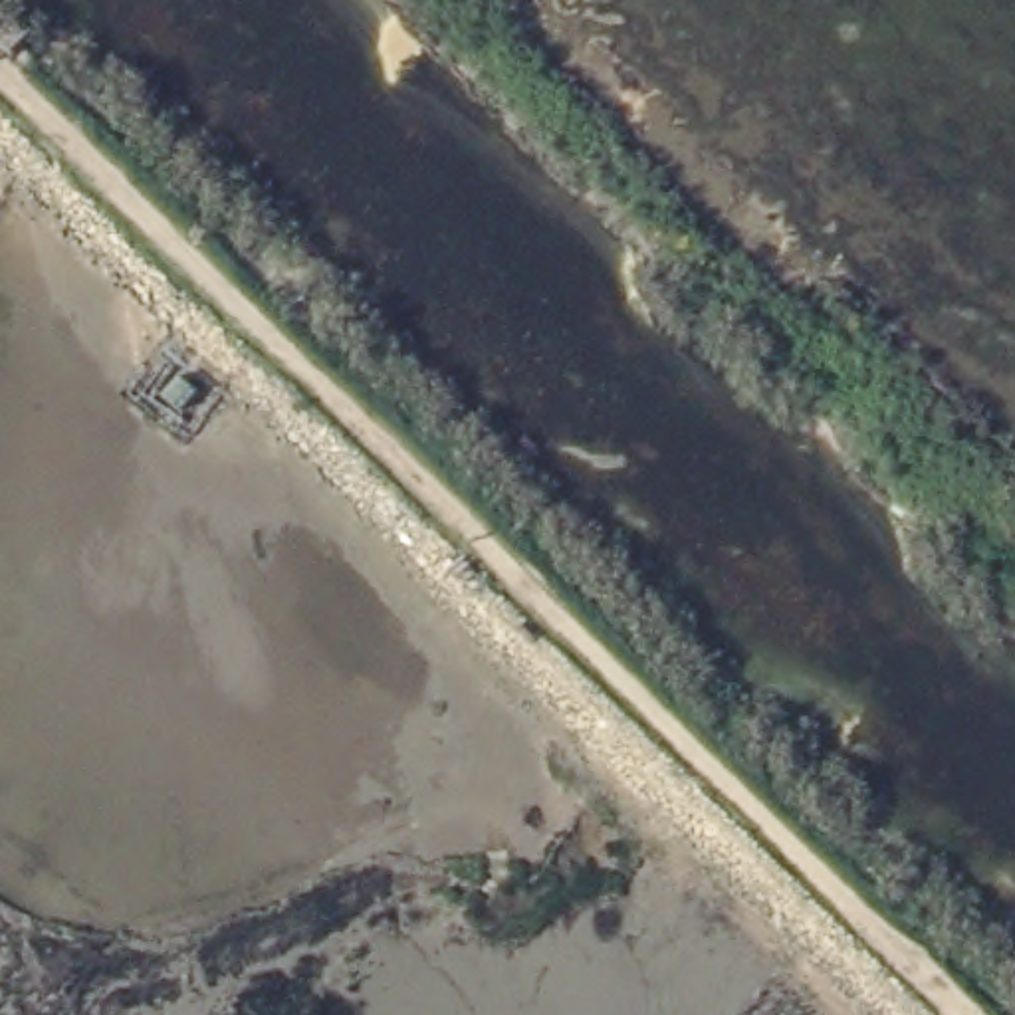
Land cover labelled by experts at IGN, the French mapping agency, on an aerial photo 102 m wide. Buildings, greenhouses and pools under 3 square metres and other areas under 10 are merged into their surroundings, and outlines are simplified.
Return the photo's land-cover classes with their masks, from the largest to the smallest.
<instances>
[{"label":"water","instance_id":"1","mask_svg":"<svg viewBox=\"0 0 1015 1015\"><path fill-rule=\"evenodd\" d=\"M44 12V36L52 44H59L63 36H79L87 40V63L131 67L143 83V115H163L174 139L194 143V159L202 167H238L250 182V206H270L305 258L329 266L333 282H353L357 301L381 313V325L400 341V353L412 357L424 377L444 385L448 400L432 416L436 428H456L464 420L488 428L508 464L515 468V484L539 492L547 508H567L579 519H587L595 527L591 551H622L638 587H650L662 599L678 634H690L702 658L745 702L757 698L769 710H781L785 698H797L817 730V745L864 785V829H892L908 845L932 852L944 864V876L959 888H971L979 896V912L1015 940V634L983 642L975 630L952 626L944 607L928 599L908 575L896 523L888 519L876 496L852 484L841 456L817 432L773 428L761 412L745 408L733 396L726 377L694 345L674 341L650 317L634 313L619 274L622 238L587 206L583 194H571L555 174H547L535 163V155L500 123V115L488 103L472 99L468 83L452 63L416 56L404 59L393 83L381 75L377 40L385 20L381 0H24L20 28ZM543 32L567 48V59L575 67H583L615 103L626 107L638 135L662 147L682 167V178L702 190V198L741 234V242H769L777 250L781 274L797 285L833 278L845 293V305L864 321L872 337L888 353L916 357L920 381L944 385L948 393H956L959 404H971L987 420V428L1003 432L1015 444V0H535ZM135 424L127 416V389L103 381L99 357H91L79 345L75 329L52 309L24 242V226L8 230L0 222V888L16 900H32L52 920L83 924L107 928L103 940L111 956L167 952L170 944H190L194 932L210 940L218 928L234 920L278 912L293 896L313 892L317 884L313 872L337 856L333 829L373 825L385 817L377 801H357V781L373 777L385 789L396 781V737L408 710L424 694L428 658L408 646L400 619L345 563L341 543L317 539L309 527H282L278 567L270 575H258L242 591L262 654L270 662L266 706L250 710L218 686L214 658L202 654L198 634L190 626L182 587L167 591V611L159 615L139 607L99 611L71 575V555L91 527H127L135 480Z\"/></svg>","mask_w":1015,"mask_h":1015},{"label":"brushwood","instance_id":"2","mask_svg":"<svg viewBox=\"0 0 1015 1015\"><path fill-rule=\"evenodd\" d=\"M385 20L396 16L404 32L420 40L416 56L452 63L468 83L472 99L488 103L500 115V123L535 155V163L547 174H555L571 194H583L587 206L622 238L619 274L634 313L650 317L674 341L694 345L726 377L733 396L745 408L761 412L773 428L817 432V400L833 389V373L797 361L789 353V337L761 309L737 301L714 305L710 289L722 282H757L761 289L781 293L797 313H805L825 333L841 337L845 345H860L864 337H872L864 321L845 305V293L833 278L797 285L781 274L777 250L769 242H741V234L702 198V190L682 178V167L662 147L638 135L626 107L615 103L583 67H575L567 59V48L543 32L535 0H381ZM20 44L32 63L28 79L67 119H75L83 135L115 167H123L127 178L313 365H321L345 393H353L369 416L393 428L404 440V448L420 456L488 523V531L511 555L531 563L543 575L547 591L726 769H733L841 880H848L872 912H880L896 932L920 944L928 959L940 963L987 1015H1015V940L979 912V896L971 888H959L944 876V864L932 852L908 845L892 829H864V785L817 745V730L797 698H785L781 710H769L757 698L745 702L702 658L690 634H678L662 599L650 587H638L622 551H591L595 527L587 519H579L567 508H547L539 492L515 484V468L508 464L488 428L464 420L456 428H436L432 416L448 400L444 385L424 377L412 357L400 353V341L381 325V313L357 301L353 282H333L329 266L305 258L270 206H250V182L238 167H202L194 159V143L174 139L163 115H143V83L131 67L87 63V40L79 36H63L59 44H52L44 36V12L20 28ZM888 361L896 365L888 389L900 400L920 404L924 424L952 428V436L967 440L971 448H983L999 468V539L1015 547V444L1003 432L987 428V420L971 404H959L956 393H948L944 385L920 381L916 357L888 353ZM908 575L928 599L944 607L952 626L975 630L983 642L1015 634V630L1007 622L1003 587H987L983 575L971 571V515H956L952 523L936 527L896 523ZM555 848H547L543 860H508V892L539 888L543 896L527 912L504 916L508 940L531 936L563 908L611 896L619 888L615 872L595 864L575 868L571 876H555ZM492 860L452 856L448 876H456V884L448 900L460 904L472 920L484 912L480 904L488 896L484 880ZM393 892V872L345 868L317 884L313 892L293 896L278 912L234 920L218 928L210 940L194 932L190 944H170L167 952L111 956L103 940L107 928L83 924L75 932V944H63L32 932H12L8 924H0V1015H87V991L99 979H115L123 971H139V987L107 995L99 1003V1015H123L127 1007L178 999V983L167 979V963L174 959L194 956L206 979L218 983L222 975H234L242 963L254 959L262 936H278L274 944L289 952L293 944H321L325 936L353 924L377 896ZM325 959L305 956L293 971L258 975L254 987L238 995L230 1015H361L333 991L321 995L313 987Z\"/></svg>","mask_w":1015,"mask_h":1015},{"label":"bare soil","instance_id":"3","mask_svg":"<svg viewBox=\"0 0 1015 1015\"><path fill-rule=\"evenodd\" d=\"M381 75L393 83L404 59L416 56L420 40L404 32L396 16L385 20L377 40ZM0 222L8 230L24 226V242L52 309L75 329L79 345L91 357H99L103 381L127 389L143 373L147 349H155L159 337L174 329L159 317L155 297L139 293L127 274H99L103 254L67 226V214L56 202H44L32 186L16 190L0 174ZM127 416L135 424V480L127 527H91L71 555V575L99 611L139 607L159 615L167 611V591L182 587L190 626L198 634L202 654L214 658L218 686L250 710L266 706L270 662L262 654L242 591L258 575H270L278 567L282 527H309L317 539L341 543L345 563L400 619L408 646L428 658L424 694L408 710L396 737V781L385 789L373 777L357 781V801H377L385 817L373 825L333 829L337 856L313 872L317 884L345 868L393 872V892L377 896L353 924L325 936L321 944H293L289 952L274 944L278 936H262L254 959L242 963L234 975H222L218 983L206 979L194 956L174 959L167 963V979L178 983V999L127 1007L123 1015H230L238 995L254 987L258 975L293 971L305 956L325 959L313 987L321 995L333 991L361 1015H829L821 991L805 983L801 967L777 948L769 928L749 920V912L730 892L718 888L714 868L698 864L682 837H670L658 817H650L634 797H626L607 769H599L583 753L579 737L563 730L531 690H523L488 654L484 642H476L436 599L424 595V587L396 555V547L381 539L373 519L353 511L329 488L321 468L301 460L282 436H274L250 400L230 396L222 412L210 420V428L194 440H174L170 432H159V424L147 420L139 404H127ZM547 848H555V876H571L575 868L595 864L615 872L619 888L611 896L563 908L531 936L508 940L504 916L527 912L543 896L539 888L508 892V860H543ZM452 856L492 860L484 880L488 896L480 904L484 912L472 920L460 904L448 900L456 884V876H448ZM0 924H8L12 932H32L63 944H75V932L83 924L52 920L32 900H16L0 888ZM139 987V971H123L115 979H99L87 991V1015H99V1003L107 995Z\"/></svg>","mask_w":1015,"mask_h":1015},{"label":"pervious surface","instance_id":"4","mask_svg":"<svg viewBox=\"0 0 1015 1015\"><path fill-rule=\"evenodd\" d=\"M24 0H0V95L16 103L44 135H52L167 258H174L242 329H250L289 373H297L396 476H404V484L416 496H424L468 539V547L551 630H559L595 670H603V678L619 694H626L733 805H741V813L753 817L761 833L900 971H908L928 999L944 1007V1015H987L940 963L928 959L920 944L896 932L880 912H872L848 880H841L733 769H726L547 591L543 575L531 563L511 555L488 531V523L420 456L404 448V440L393 428L369 416L353 393H345L321 365H313L127 178L123 167H115L83 135L75 119H67L28 79L32 63L20 44V28ZM0 174L16 190L32 186L44 202H56L67 214V226L103 254L99 274H127L139 293L155 297L159 317L174 329L159 337L155 349H147L143 373L127 389V404H139L147 420L159 424V432H170L174 440H194L210 428V420L222 412L230 396L250 400L274 436H282L301 460L321 468L329 488L353 511L373 519L381 539L396 547V555L424 587V595L436 599L476 642H484L488 654L523 690H531L563 730L579 737L583 753L599 769H607L626 797H634L650 817H658L670 837H682L698 864L714 868L718 888L730 892L749 912V920L769 928L777 948L801 967L805 983L821 991L829 1015H924L916 1003L904 999V991L892 979L876 971L868 956H860L829 924L821 908H813L793 888L785 872L769 864V856L753 848L745 833H737L702 797L698 785L682 781L670 769V761L630 722H622L611 710L607 698H599L551 646L527 638L500 599L476 595L452 563L448 543L436 539L381 480L365 472L353 448H345L309 412L293 408V396L278 381H270L254 361H246L210 317L174 297L167 278L151 270L107 226V218L83 194L67 186L59 167H48L20 131H0ZM170 381L190 385L186 400H167Z\"/></svg>","mask_w":1015,"mask_h":1015},{"label":"herbaceous vegetation","instance_id":"5","mask_svg":"<svg viewBox=\"0 0 1015 1015\"><path fill-rule=\"evenodd\" d=\"M20 131L48 167H59L67 186L83 194L107 218V226L151 270L167 278L174 297L210 317L246 361H254L270 381H278L293 396V408L309 412L345 448H353L365 472L381 480L436 539L448 543L452 563L476 595L500 599L527 638L551 646L599 698H607L611 710L622 722H630L670 761V769L682 781L698 785L702 797L737 833H745L753 848L769 856V864L785 872L793 888L813 908H821L829 924L860 956H868L876 971L892 979L904 991V999L916 1003L924 1015H944V1007L928 999L908 971H900L761 833L753 817L741 813V805H733L626 694H619L603 678V670H595L559 630H551L468 547V539L424 496H416L404 484V476H396L297 373H289L250 329H242L174 258H167L52 135H44L16 103L0 95V131ZM714 305L737 301L761 309L789 337V353L797 361L833 373V389L817 400V432L841 456L852 484L876 496L888 519L896 523L936 527L952 523L956 515H971V571L983 575L987 587H1003L1007 622L1015 630V547L999 539V468L983 448H971L967 440L952 436V428L924 424L920 404L900 400L888 389L896 365L888 361V353L872 337H864L860 345H845L841 337L825 333L805 313H797L781 293L761 289L757 282H722L710 289Z\"/></svg>","mask_w":1015,"mask_h":1015},{"label":"building","instance_id":"6","mask_svg":"<svg viewBox=\"0 0 1015 1015\"><path fill-rule=\"evenodd\" d=\"M190 385L170 381L167 400H186Z\"/></svg>","mask_w":1015,"mask_h":1015}]
</instances>
